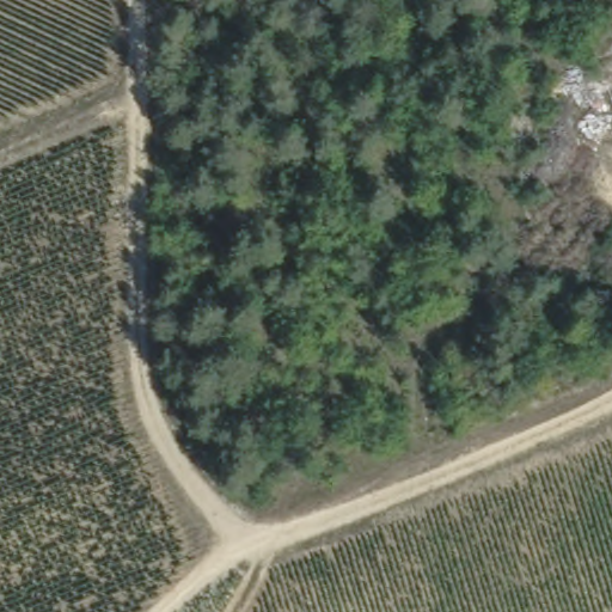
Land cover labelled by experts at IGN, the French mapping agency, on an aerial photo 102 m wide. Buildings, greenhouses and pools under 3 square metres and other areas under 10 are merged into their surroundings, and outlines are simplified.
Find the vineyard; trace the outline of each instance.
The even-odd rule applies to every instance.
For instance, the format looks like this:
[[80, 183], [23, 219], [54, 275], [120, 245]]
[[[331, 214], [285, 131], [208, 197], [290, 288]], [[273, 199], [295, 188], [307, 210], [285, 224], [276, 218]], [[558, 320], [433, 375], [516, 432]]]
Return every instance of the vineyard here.
[[84, 93], [100, 91], [108, 84], [120, 86], [122, 96], [134, 93], [131, 69], [120, 62], [120, 55], [110, 48], [122, 36], [115, 31], [115, 26], [120, 24], [117, 0], [0, 0], [0, 129], [12, 129], [14, 124], [26, 122], [29, 117], [69, 105]]
[[215, 531], [201, 514], [201, 509], [186, 497], [186, 492], [172, 476], [172, 471], [165, 466], [160, 452], [153, 447], [143, 428], [127, 356], [127, 349], [134, 344], [120, 328], [122, 316], [129, 323], [134, 320], [134, 311], [120, 296], [120, 282], [129, 270], [129, 265], [122, 261], [122, 249], [134, 251], [131, 237], [129, 227], [122, 222], [122, 210], [108, 210], [112, 194], [115, 148], [103, 146], [103, 139], [112, 136], [110, 124], [93, 129], [88, 136], [74, 136], [48, 148], [48, 153], [29, 155], [0, 170], [0, 612], [146, 612], [158, 595], [163, 595], [170, 586], [179, 583], [196, 567], [196, 562], [201, 562], [213, 550]]
[[612, 612], [612, 414], [590, 421], [583, 428], [569, 430], [562, 437], [538, 442], [514, 457], [507, 457], [488, 469], [461, 476], [447, 485], [390, 504], [359, 521], [287, 545], [273, 557], [265, 588], [261, 590], [251, 612]]

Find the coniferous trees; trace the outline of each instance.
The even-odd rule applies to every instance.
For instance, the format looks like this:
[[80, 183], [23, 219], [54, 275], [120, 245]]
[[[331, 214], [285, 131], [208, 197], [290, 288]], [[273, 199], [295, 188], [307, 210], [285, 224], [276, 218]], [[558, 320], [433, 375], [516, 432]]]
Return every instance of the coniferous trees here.
[[261, 428], [273, 416], [280, 416], [282, 423], [299, 423], [304, 418], [304, 411], [299, 409], [296, 399], [299, 387], [270, 383], [268, 387], [253, 394], [251, 383], [256, 378], [256, 363], [263, 342], [270, 339], [280, 349], [289, 349], [292, 332], [306, 320], [308, 306], [299, 304], [301, 287], [296, 284], [296, 280], [311, 270], [316, 258], [335, 258], [339, 263], [351, 263], [349, 251], [342, 246], [330, 251], [320, 251], [318, 246], [308, 249], [306, 222], [316, 222], [316, 208], [323, 191], [325, 170], [337, 170], [347, 165], [342, 136], [354, 127], [354, 122], [373, 117], [378, 105], [383, 103], [383, 79], [375, 77], [375, 65], [371, 62], [371, 57], [409, 60], [409, 72], [416, 77], [416, 72], [421, 72], [428, 62], [440, 60], [447, 48], [471, 45], [473, 14], [490, 14], [495, 10], [495, 0], [117, 0], [120, 24], [115, 26], [115, 31], [122, 36], [110, 48], [120, 55], [120, 62], [131, 69], [134, 93], [141, 112], [148, 117], [151, 131], [146, 136], [148, 167], [143, 170], [143, 182], [134, 186], [134, 194], [129, 198], [134, 215], [143, 220], [143, 232], [131, 237], [134, 251], [122, 249], [122, 261], [129, 265], [129, 270], [120, 282], [120, 296], [134, 311], [134, 320], [129, 323], [122, 316], [120, 328], [134, 344], [139, 356], [148, 366], [151, 385], [163, 404], [170, 426], [175, 428], [175, 440], [179, 449], [206, 476], [206, 481], [213, 483], [215, 492], [227, 504], [246, 509], [253, 519], [261, 509], [273, 507], [277, 502], [277, 495], [273, 495], [270, 490], [263, 488], [258, 490], [258, 495], [249, 495], [249, 485], [265, 469], [265, 464], [256, 454]]
[[406, 251], [409, 246], [423, 244], [435, 227], [447, 225], [449, 244], [459, 253], [464, 253], [464, 268], [452, 270], [452, 280], [447, 282], [447, 296], [464, 299], [469, 308], [461, 318], [442, 323], [433, 328], [428, 335], [423, 347], [411, 344], [409, 351], [418, 363], [418, 390], [428, 411], [435, 414], [437, 409], [445, 409], [435, 383], [435, 371], [442, 366], [445, 349], [454, 342], [466, 361], [495, 356], [495, 332], [500, 328], [500, 320], [512, 311], [512, 301], [507, 296], [514, 287], [533, 292], [540, 277], [562, 282], [559, 292], [550, 294], [543, 304], [547, 323], [557, 332], [571, 332], [571, 328], [576, 325], [574, 304], [583, 299], [588, 292], [598, 296], [598, 304], [602, 308], [593, 328], [600, 330], [602, 325], [612, 323], [612, 284], [600, 280], [579, 280], [579, 273], [571, 268], [557, 270], [547, 265], [531, 265], [526, 263], [526, 258], [516, 253], [516, 218], [526, 218], [533, 208], [528, 198], [531, 194], [536, 194], [538, 184], [536, 177], [519, 179], [519, 175], [531, 151], [543, 151], [547, 146], [559, 148], [559, 134], [555, 129], [555, 122], [559, 120], [562, 110], [552, 96], [552, 86], [567, 77], [569, 69], [574, 69], [567, 60], [559, 57], [550, 57], [547, 62], [533, 62], [528, 67], [528, 84], [524, 88], [526, 93], [519, 100], [514, 100], [516, 117], [512, 117], [507, 127], [497, 129], [497, 160], [476, 165], [473, 155], [471, 160], [457, 158], [454, 175], [447, 175], [447, 189], [440, 198], [442, 210], [437, 215], [423, 215], [423, 210], [416, 206], [414, 194], [418, 191], [418, 172], [414, 170], [414, 160], [418, 160], [418, 151], [404, 146], [402, 131], [392, 129], [383, 134], [371, 134], [361, 148], [359, 165], [354, 163], [347, 167], [354, 196], [359, 201], [371, 203], [371, 215], [380, 220], [387, 232], [385, 239], [375, 244], [375, 265], [368, 275], [373, 284], [383, 289], [394, 275], [394, 256]]
[[392, 325], [383, 325], [378, 308], [361, 308], [359, 316], [368, 323], [368, 330], [383, 339], [394, 337], [397, 332], [397, 328]]

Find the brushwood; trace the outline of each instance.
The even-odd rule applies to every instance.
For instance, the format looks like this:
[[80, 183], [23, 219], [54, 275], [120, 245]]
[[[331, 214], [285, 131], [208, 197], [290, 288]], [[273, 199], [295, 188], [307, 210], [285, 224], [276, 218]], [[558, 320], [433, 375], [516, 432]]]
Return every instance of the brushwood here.
[[612, 284], [612, 215], [610, 222], [600, 232], [595, 232], [593, 244], [588, 249], [588, 268], [579, 273], [579, 280], [600, 280]]

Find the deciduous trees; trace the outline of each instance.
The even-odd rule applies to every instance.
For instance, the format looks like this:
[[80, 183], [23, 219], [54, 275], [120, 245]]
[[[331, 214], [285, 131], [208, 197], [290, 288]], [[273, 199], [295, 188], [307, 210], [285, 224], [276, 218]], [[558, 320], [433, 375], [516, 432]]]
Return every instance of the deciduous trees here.
[[600, 330], [593, 328], [602, 308], [598, 304], [598, 296], [588, 292], [583, 299], [574, 304], [576, 325], [571, 328], [571, 332], [557, 332], [547, 323], [543, 304], [550, 294], [559, 292], [562, 282], [540, 277], [533, 292], [514, 287], [507, 296], [512, 301], [512, 311], [500, 320], [500, 328], [495, 332], [495, 356], [466, 361], [454, 342], [445, 349], [442, 366], [435, 371], [435, 383], [445, 409], [485, 404], [497, 411], [504, 411], [507, 394], [528, 390], [538, 380], [543, 380], [543, 373], [547, 371], [550, 361], [567, 363], [571, 375], [583, 375], [586, 380], [595, 383], [607, 383], [612, 373], [612, 323], [602, 325]]
[[258, 495], [258, 490], [263, 488], [270, 490], [277, 483], [277, 473], [292, 471], [294, 466], [304, 473], [306, 481], [316, 481], [323, 488], [337, 488], [344, 481], [344, 476], [349, 476], [359, 466], [366, 466], [371, 459], [390, 461], [414, 447], [416, 411], [409, 409], [385, 383], [354, 378], [356, 368], [375, 366], [380, 354], [368, 347], [356, 347], [351, 351], [344, 349], [344, 342], [337, 342], [339, 328], [359, 316], [361, 308], [378, 308], [383, 325], [392, 325], [397, 328], [397, 332], [404, 330], [411, 335], [428, 335], [433, 328], [442, 323], [461, 318], [469, 308], [464, 299], [447, 296], [447, 282], [452, 280], [452, 270], [464, 268], [464, 253], [459, 253], [449, 244], [447, 225], [435, 227], [423, 244], [409, 246], [406, 251], [394, 256], [394, 275], [383, 289], [373, 284], [368, 275], [375, 265], [375, 244], [385, 239], [387, 232], [380, 220], [371, 215], [371, 203], [359, 201], [354, 196], [347, 167], [354, 163], [359, 165], [361, 148], [371, 134], [383, 134], [392, 129], [402, 131], [404, 146], [418, 151], [418, 160], [414, 160], [414, 170], [418, 172], [418, 191], [414, 194], [416, 206], [423, 210], [423, 215], [437, 215], [442, 210], [440, 198], [447, 189], [447, 175], [454, 175], [457, 158], [471, 160], [473, 155], [476, 165], [497, 160], [497, 129], [507, 127], [512, 117], [516, 117], [514, 100], [519, 100], [526, 93], [524, 88], [528, 84], [528, 67], [533, 62], [547, 62], [550, 57], [559, 57], [567, 60], [574, 69], [598, 62], [598, 48], [602, 38], [612, 31], [612, 0], [495, 0], [495, 10], [490, 14], [473, 14], [471, 45], [447, 48], [440, 60], [428, 62], [421, 72], [416, 72], [416, 77], [409, 72], [409, 60], [371, 57], [371, 62], [375, 65], [375, 77], [383, 79], [383, 103], [378, 105], [373, 117], [354, 122], [354, 127], [342, 136], [347, 165], [337, 170], [325, 170], [323, 191], [316, 208], [316, 222], [306, 222], [308, 249], [318, 246], [320, 251], [330, 251], [342, 246], [349, 251], [351, 263], [339, 263], [335, 258], [316, 258], [311, 270], [296, 280], [296, 284], [301, 287], [299, 304], [308, 306], [306, 320], [292, 332], [289, 349], [280, 349], [270, 339], [263, 342], [256, 363], [256, 378], [251, 383], [253, 394], [268, 387], [270, 383], [299, 387], [296, 399], [299, 409], [304, 411], [304, 418], [299, 423], [282, 423], [280, 416], [273, 416], [261, 428], [256, 454], [265, 464], [265, 469], [249, 485], [249, 495]]

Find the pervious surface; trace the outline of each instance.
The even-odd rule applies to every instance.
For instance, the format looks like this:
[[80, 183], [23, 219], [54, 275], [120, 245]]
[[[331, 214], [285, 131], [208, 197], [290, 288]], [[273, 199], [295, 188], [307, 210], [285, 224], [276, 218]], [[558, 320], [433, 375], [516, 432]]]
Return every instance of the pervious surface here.
[[447, 485], [461, 476], [488, 469], [507, 457], [514, 457], [538, 442], [562, 437], [569, 430], [583, 428], [590, 421], [612, 414], [612, 390], [567, 414], [531, 426], [521, 433], [507, 435], [485, 447], [471, 449], [414, 478], [390, 483], [387, 488], [380, 488], [375, 492], [337, 502], [301, 516], [292, 516], [287, 521], [258, 524], [253, 519], [246, 509], [227, 504], [215, 492], [213, 483], [206, 481], [206, 476], [179, 449], [175, 440], [175, 428], [170, 426], [163, 404], [151, 385], [148, 366], [139, 356], [134, 344], [127, 349], [127, 356], [143, 428], [153, 447], [160, 452], [165, 466], [172, 471], [172, 476], [186, 492], [186, 497], [201, 509], [201, 514], [215, 531], [213, 550], [201, 562], [196, 562], [196, 567], [179, 583], [170, 586], [163, 595], [158, 595], [146, 612], [175, 612], [208, 583], [215, 583], [218, 579], [227, 576], [227, 571], [237, 562], [258, 562], [268, 555], [273, 557], [287, 545], [359, 521], [390, 504]]

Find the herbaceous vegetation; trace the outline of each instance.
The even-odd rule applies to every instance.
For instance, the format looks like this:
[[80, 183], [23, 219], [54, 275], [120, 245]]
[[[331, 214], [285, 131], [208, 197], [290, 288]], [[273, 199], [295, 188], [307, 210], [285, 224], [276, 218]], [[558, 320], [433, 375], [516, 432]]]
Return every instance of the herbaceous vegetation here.
[[567, 77], [552, 86], [552, 96], [562, 110], [559, 120], [555, 122], [555, 129], [559, 134], [559, 148], [547, 146], [543, 151], [531, 151], [519, 175], [519, 179], [536, 177], [538, 184], [536, 194], [531, 194], [528, 198], [533, 208], [526, 218], [516, 218], [516, 253], [526, 258], [526, 263], [531, 265], [547, 265], [557, 270], [571, 268], [579, 273], [588, 268], [588, 249], [593, 244], [595, 232], [600, 232], [610, 222], [612, 215], [612, 31], [602, 38], [598, 48], [598, 62], [574, 69], [569, 69]]
[[423, 347], [428, 335], [411, 335], [404, 330], [397, 332], [394, 337], [383, 339], [368, 330], [368, 323], [359, 316], [339, 328], [337, 342], [344, 342], [344, 349], [351, 351], [356, 347], [368, 347], [380, 354], [375, 366], [356, 368], [354, 378], [385, 383], [409, 409], [416, 411], [414, 447], [390, 461], [371, 459], [366, 466], [359, 466], [349, 476], [344, 476], [344, 481], [337, 488], [323, 488], [316, 481], [306, 481], [304, 473], [294, 466], [292, 471], [277, 473], [277, 483], [270, 490], [273, 495], [277, 495], [277, 502], [273, 507], [261, 509], [253, 519], [258, 524], [287, 521], [292, 516], [301, 516], [337, 502], [375, 492], [380, 488], [387, 488], [390, 483], [414, 478], [471, 449], [485, 447], [507, 435], [521, 433], [531, 426], [567, 414], [612, 390], [612, 373], [607, 383], [595, 383], [586, 380], [583, 375], [571, 375], [567, 363], [550, 361], [547, 371], [543, 373], [543, 380], [538, 380], [528, 390], [507, 394], [504, 411], [497, 411], [485, 404], [445, 409], [437, 409], [435, 414], [428, 411], [418, 390], [418, 363], [409, 351], [411, 344]]
[[273, 557], [268, 555], [258, 562], [237, 562], [227, 571], [227, 576], [218, 579], [215, 583], [208, 583], [175, 612], [251, 612], [261, 590], [265, 588]]
[[134, 215], [129, 198], [134, 194], [134, 186], [143, 182], [143, 170], [148, 167], [146, 136], [151, 131], [148, 117], [141, 112], [134, 93], [122, 96], [120, 86], [108, 84], [100, 91], [84, 93], [69, 105], [29, 117], [26, 122], [14, 124], [12, 129], [0, 129], [0, 170], [29, 155], [48, 153], [48, 148], [74, 136], [88, 136], [93, 129], [110, 124], [112, 136], [103, 139], [103, 146], [115, 148], [112, 194], [108, 210], [122, 210], [122, 222], [129, 227], [131, 237], [143, 232], [143, 220]]

